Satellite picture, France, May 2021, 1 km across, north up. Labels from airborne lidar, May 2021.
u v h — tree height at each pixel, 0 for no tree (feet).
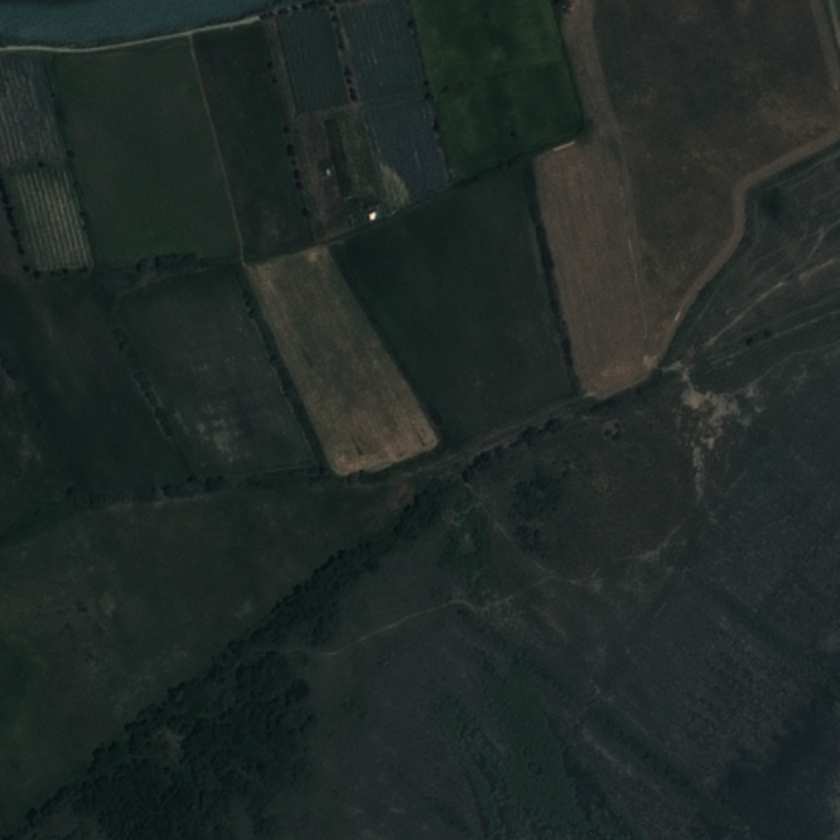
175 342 0
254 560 0
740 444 0
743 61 0
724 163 0
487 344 0
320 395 0
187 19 0
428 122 0
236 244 0
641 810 0
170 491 48
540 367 0
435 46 0
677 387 0
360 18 0
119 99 0
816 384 0
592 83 0
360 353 0
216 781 24
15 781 0
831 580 0
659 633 0
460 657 0
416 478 0
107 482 0
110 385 0
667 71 0
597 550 0
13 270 0
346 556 55
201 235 0
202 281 0
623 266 0
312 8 41
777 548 0
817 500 0
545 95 0
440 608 0
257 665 35
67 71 0
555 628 0
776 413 0
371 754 0
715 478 0
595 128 0
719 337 0
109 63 0
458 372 0
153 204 0
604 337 0
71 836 24
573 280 0
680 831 0
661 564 0
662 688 0
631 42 0
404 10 0
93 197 0
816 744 0
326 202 0
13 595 0
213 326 0
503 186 0
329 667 0
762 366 0
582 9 0
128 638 0
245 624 0
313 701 0
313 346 0
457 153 0
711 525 0
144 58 0
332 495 0
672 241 0
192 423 0
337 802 0
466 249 0
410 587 0
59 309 0
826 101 0
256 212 0
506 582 0
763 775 0
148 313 0
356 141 0
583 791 0
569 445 0
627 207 0
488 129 0
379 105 0
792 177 0
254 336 0
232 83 0
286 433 0
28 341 0
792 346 0
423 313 0
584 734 0
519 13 0
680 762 0
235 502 0
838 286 0
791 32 0
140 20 0
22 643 0
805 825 0
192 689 46
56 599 0
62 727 0
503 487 0
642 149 0
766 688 0
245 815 0
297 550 0
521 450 0
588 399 0
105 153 0
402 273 0
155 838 50
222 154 0
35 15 0
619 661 0
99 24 0
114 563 0
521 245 0
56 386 0
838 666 0
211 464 0
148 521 0
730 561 0
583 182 0
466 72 0
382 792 0
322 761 0
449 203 0
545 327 0
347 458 0
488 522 0
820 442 0
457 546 22
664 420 0
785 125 0
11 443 0
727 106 0
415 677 0
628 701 0
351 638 0
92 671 0
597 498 0
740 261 0
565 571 0
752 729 0
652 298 0
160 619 0
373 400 0
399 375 0
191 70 0
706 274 0
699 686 0
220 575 0
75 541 0
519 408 0
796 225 0
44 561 0
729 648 0
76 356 0
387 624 0
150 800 64
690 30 0
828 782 0
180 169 0
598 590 0
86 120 0
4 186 70
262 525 0
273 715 33
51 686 0
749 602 0
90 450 0
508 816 0
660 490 0
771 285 0
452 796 0
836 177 0
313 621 39
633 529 0
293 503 0
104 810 25
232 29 0
